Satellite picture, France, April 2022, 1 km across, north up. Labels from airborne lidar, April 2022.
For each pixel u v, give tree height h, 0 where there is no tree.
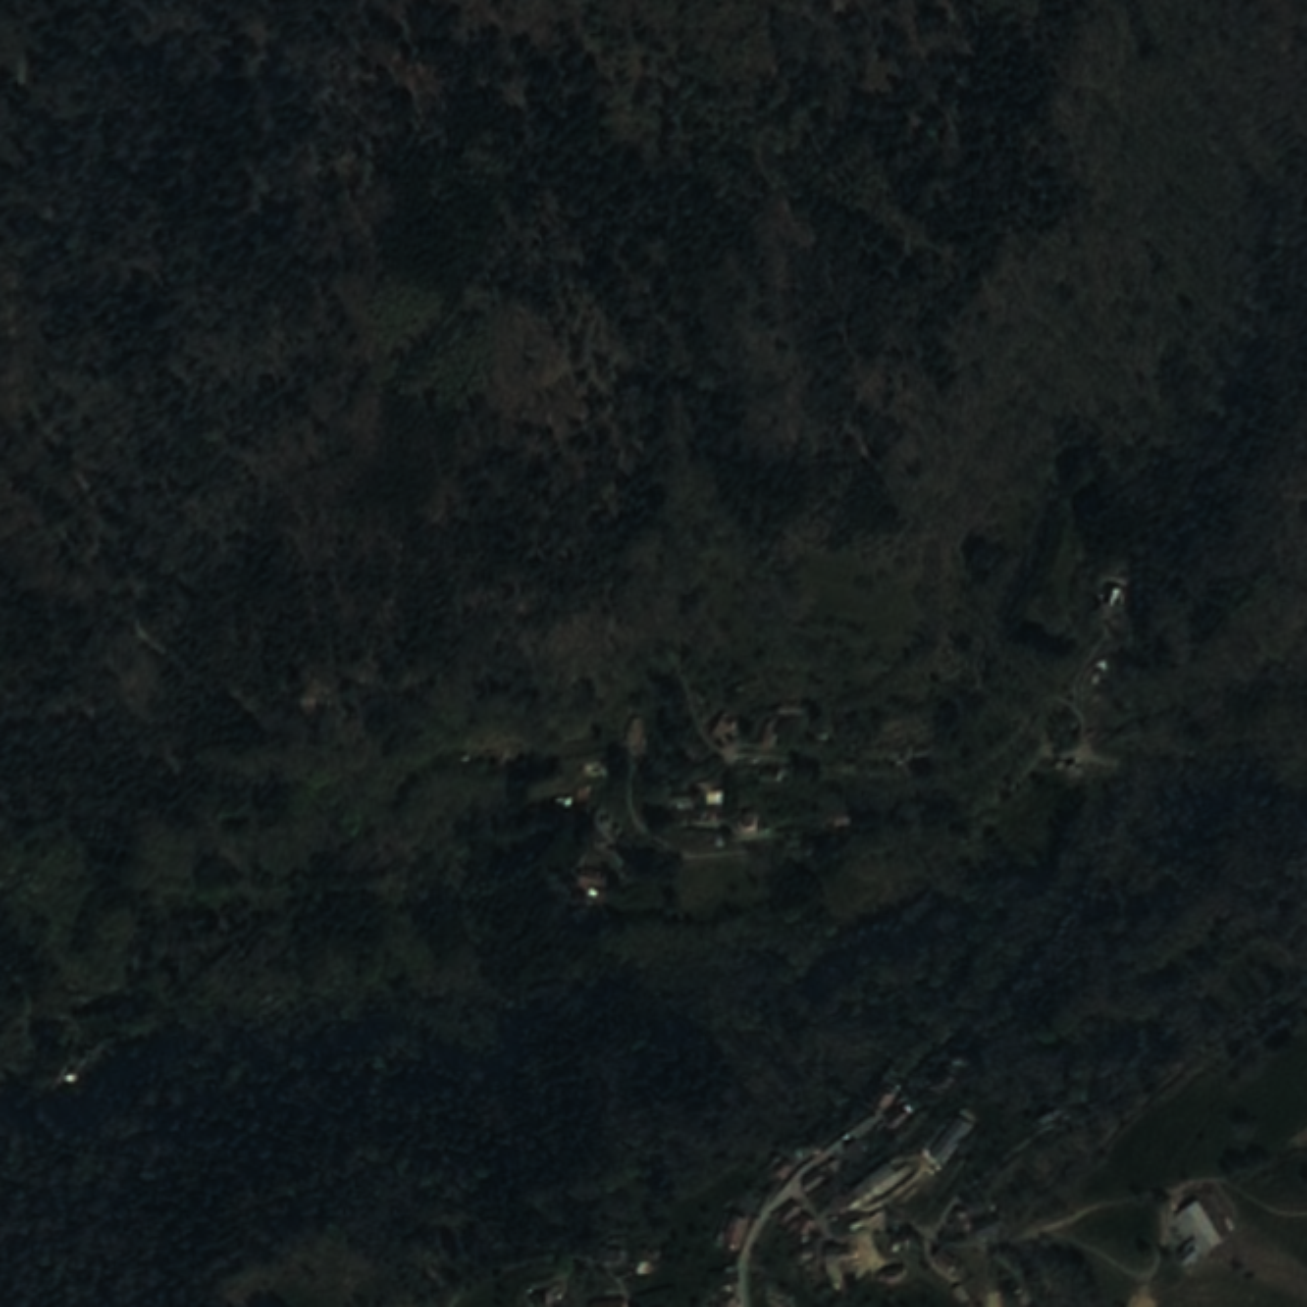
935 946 33
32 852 17
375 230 19
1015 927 29
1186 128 23
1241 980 0
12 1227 29
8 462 22
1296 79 18
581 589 25
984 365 25
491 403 16
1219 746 20
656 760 7
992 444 8
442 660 27
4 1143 27
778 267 18
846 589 0
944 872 23
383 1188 29
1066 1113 8
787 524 17
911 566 15
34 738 28
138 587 12
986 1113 0
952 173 24
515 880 35
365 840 31
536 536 8
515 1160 27
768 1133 27
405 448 27
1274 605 23
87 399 19
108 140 18
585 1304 0
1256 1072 18
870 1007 16
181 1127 7
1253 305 21
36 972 33
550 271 14
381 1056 31
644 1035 30
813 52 18
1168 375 24
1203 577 20
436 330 19
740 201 22
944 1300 0
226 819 27
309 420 26
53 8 20
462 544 22
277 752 28
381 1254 23
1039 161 28
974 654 23
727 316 17
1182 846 16
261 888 22
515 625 18
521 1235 30
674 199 25
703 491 18
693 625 16
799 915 20
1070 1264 18
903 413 7
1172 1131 0
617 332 7
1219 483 37
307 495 21
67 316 23
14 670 15
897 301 24
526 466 22
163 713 18
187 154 20
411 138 21
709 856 0
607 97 22
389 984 33
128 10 7
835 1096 28
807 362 19
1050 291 28
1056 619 25
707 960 21
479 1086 29
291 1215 14
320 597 24
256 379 19
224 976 35
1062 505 30
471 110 29
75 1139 35
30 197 19
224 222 22
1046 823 0
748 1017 17
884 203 18
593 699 33
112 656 20
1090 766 0
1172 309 25
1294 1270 0
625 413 30
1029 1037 28
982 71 25
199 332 23
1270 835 32
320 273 19
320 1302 0
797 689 0
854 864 22
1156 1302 0
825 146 26
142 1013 29
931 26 25
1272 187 11
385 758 28
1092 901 24
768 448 20
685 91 24
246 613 22
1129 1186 0
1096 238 19
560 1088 28
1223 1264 0
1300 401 25
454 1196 16
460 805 17
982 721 23
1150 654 20
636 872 23
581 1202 30
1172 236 25
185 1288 29
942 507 19
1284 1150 0
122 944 20
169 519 20
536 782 26
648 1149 30
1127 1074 21
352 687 31
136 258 18
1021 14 26
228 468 14
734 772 8
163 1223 29
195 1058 25
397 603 26
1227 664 17
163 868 14
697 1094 34
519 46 24
